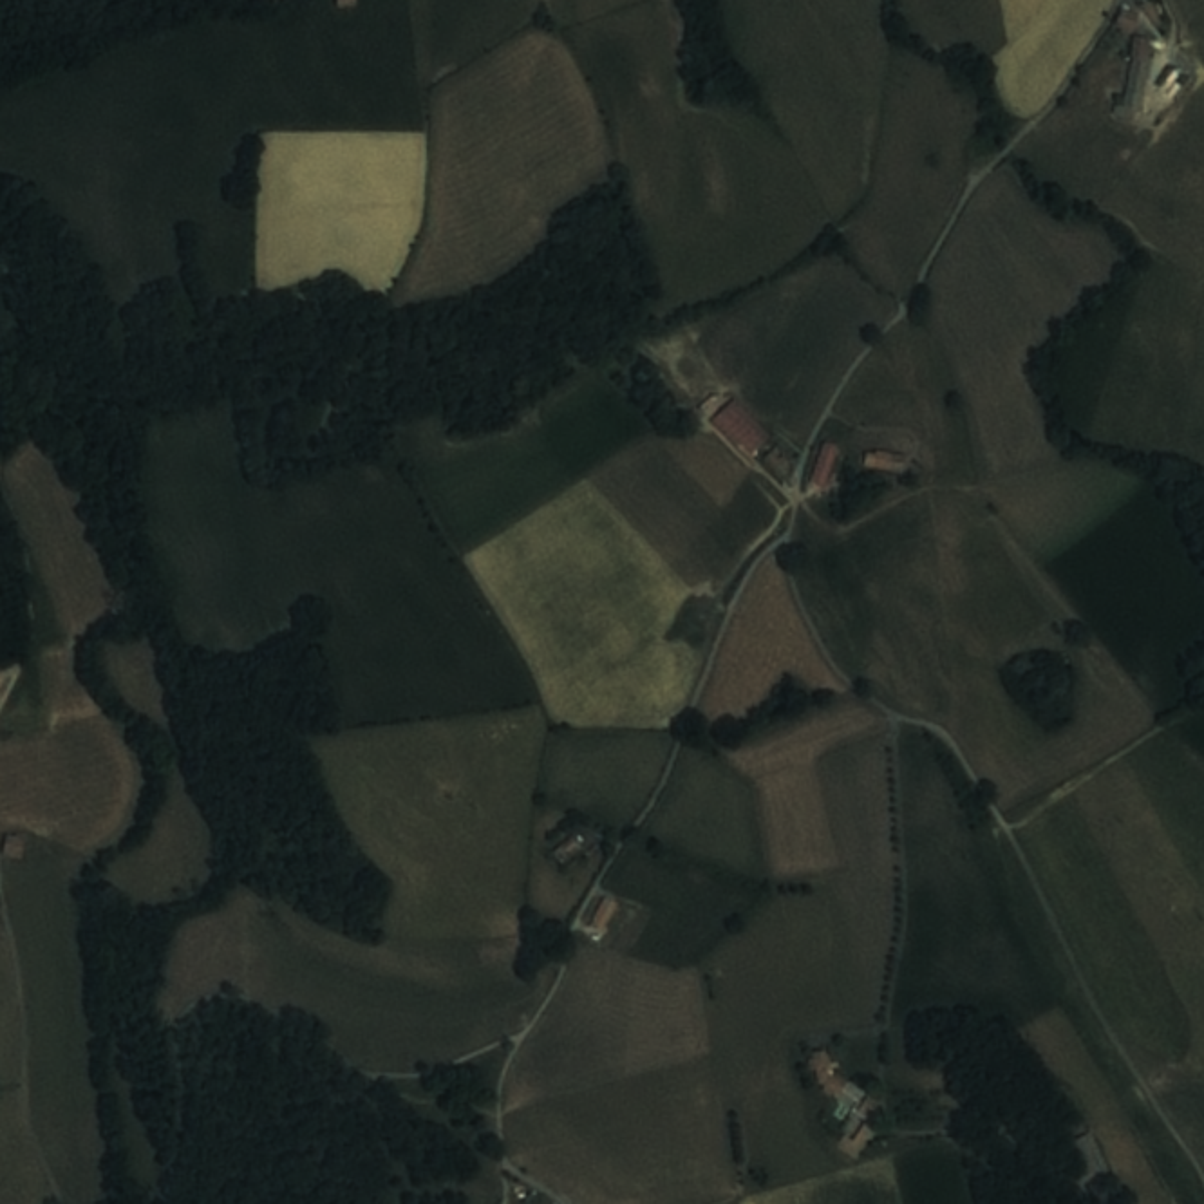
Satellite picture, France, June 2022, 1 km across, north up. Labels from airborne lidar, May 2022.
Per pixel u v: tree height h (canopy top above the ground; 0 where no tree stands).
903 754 0
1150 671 0
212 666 23
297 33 0
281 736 24
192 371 20
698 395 0
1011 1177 18
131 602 28
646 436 0
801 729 0
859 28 0
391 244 0
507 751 0
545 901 0
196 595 0
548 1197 0
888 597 0
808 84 0
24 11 20
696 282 0
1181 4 0
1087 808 0
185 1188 19
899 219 0
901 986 0
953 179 0
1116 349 0
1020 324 0
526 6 0
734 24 0
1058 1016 0
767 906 0
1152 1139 0
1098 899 0
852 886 0
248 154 19
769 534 0
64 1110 0
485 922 0
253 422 15
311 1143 15
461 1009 0
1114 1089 0
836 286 0
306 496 0
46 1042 0
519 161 0
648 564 0
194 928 0
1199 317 0
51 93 0
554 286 20
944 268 0
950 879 0
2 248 23
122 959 20
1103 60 0
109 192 0
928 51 8
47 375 24
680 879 0
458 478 0
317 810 18
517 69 0
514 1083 0
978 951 0
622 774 0
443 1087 14
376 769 0
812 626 0
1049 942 0
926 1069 9
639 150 0
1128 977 0
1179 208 0
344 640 0
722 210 0
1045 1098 23
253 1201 15
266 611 0
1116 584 0
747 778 0
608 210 23
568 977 0
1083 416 0
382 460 12
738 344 0
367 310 21
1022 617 0
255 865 19
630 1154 0
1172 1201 0
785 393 0
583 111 0
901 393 0
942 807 0
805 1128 0
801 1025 0
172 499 0
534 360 27
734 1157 8
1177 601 0
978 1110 21
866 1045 0
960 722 0
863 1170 0
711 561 0
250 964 0
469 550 0
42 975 0
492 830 0
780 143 0
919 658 0
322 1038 17
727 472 0
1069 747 0
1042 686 12
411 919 0
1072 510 0
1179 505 22
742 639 0
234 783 22
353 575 0
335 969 0
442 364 28
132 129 0
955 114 0
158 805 18
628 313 27
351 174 0
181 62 0
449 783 0
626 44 0
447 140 0
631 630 0
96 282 12
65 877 0
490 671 0
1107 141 0
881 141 0
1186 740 0
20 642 21
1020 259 0
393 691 0
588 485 0
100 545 18
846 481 10
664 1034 0
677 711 0
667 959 0
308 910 21
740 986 0
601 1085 0
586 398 0
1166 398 0
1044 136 0
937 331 0
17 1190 0
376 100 0
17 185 16
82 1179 0
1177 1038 0
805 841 0
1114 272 8
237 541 0
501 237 0
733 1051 0
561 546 0
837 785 0
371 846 0
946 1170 0
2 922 0
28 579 17
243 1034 14
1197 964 0
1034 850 0
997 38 0
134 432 27
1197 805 0
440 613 0
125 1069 21
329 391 18
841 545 0
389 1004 0
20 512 0
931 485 0
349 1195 18
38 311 17
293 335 24
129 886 0
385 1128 21
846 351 0
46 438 24
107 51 13
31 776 0
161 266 0
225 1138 18
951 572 0
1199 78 0
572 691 0
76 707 0
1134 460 19
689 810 0
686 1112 0
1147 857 0
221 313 20
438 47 0
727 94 17
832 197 0
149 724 20
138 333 15
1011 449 0
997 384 0
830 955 0
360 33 0
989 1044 22
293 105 0
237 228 0
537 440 0
